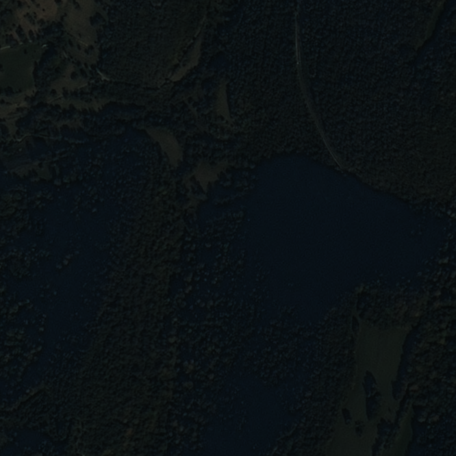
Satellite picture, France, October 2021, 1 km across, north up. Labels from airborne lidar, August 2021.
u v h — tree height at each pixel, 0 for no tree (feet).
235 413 69
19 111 31
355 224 57
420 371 92
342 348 61
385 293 73
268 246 68
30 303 116
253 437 68
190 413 75
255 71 39
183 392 95
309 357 28
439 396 99
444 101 26
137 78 40
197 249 25
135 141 50
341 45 31
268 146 46
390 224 72
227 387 71
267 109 57
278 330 60
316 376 42
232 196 79
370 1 56
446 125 62
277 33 44
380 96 44
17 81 0
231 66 64
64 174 82
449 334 83
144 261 62
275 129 41
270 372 52
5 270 54
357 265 41
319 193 88
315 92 46
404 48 56
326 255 55
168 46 62
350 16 40
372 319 51
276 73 43
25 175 0
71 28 0
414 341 52
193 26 40
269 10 44
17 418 36
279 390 61
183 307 66
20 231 63
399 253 72
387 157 45
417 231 115
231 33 51
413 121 40
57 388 49
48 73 78
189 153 69
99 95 80
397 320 66
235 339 71
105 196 48
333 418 69
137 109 59
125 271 37
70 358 50
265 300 37
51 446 55
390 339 0
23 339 116
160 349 85
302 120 26
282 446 59
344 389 52
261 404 81
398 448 0
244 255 56
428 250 58
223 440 70
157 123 40
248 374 52
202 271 72
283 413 87
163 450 95
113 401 48
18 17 0
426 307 61
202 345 98
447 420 79
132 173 25
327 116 37
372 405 61
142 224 70
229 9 31
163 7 21
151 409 72
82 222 82
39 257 98
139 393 62
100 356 50
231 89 40
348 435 0
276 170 60
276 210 63
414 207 112
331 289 50
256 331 48
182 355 53
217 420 58
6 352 114
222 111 0
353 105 31
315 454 47
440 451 79
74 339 62
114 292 54
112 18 53
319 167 62
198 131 26
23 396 68
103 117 59
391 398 0
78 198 97
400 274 44
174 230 75
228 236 81
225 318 78
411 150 53
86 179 76
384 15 41
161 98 40
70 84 0
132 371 52
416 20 48
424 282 83
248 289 46
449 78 58
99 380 60
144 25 43
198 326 84
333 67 53
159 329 56
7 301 104
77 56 0
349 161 38
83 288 60
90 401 40
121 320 71
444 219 56
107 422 48
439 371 93
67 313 63
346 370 62
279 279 48
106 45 58
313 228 73
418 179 55
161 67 25
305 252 54
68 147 46
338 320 63
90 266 66
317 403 57
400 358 0
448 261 84
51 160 37
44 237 95
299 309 53
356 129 38
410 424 0
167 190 56
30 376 68
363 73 47
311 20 30
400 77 45
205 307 70
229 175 25
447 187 69
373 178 46
